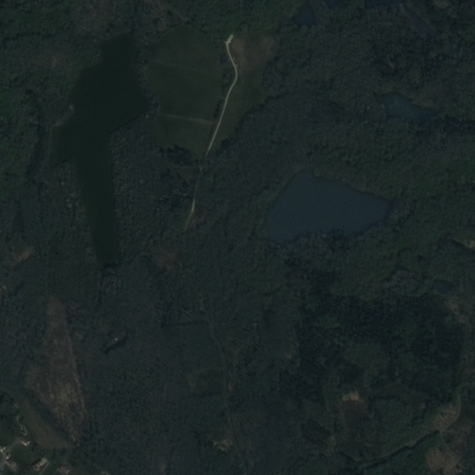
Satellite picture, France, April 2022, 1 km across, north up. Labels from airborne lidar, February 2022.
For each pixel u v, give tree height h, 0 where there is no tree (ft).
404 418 73
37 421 0
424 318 31
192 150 0
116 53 0
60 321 0
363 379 66
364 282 110
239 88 0
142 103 0
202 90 0
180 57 0
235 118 0
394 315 22
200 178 81
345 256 96
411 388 64
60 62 47
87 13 44
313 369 76
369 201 0
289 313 75
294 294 73
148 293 79
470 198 66
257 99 0
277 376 69
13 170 75
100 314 69
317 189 0
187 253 81
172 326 79
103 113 0
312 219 0
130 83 0
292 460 46
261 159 89
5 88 68
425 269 61
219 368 76
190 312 87
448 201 75
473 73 61
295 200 0
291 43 65
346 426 0
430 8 77
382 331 48
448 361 50
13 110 72
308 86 87
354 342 54
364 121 87
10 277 41
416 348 57
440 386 56
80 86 0
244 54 0
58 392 0
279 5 51
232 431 0
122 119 0
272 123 81
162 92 0
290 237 0
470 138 77
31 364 71
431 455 0
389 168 74
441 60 52
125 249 27
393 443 56
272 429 62
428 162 72
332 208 0
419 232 72
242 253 62
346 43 60
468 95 71
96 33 53
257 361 60
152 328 81
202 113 0
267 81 44
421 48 57
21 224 68
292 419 76
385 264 64
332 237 35
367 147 67
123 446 28
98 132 0
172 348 73
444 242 0
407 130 64
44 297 67
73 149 0
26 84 99
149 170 44
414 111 0
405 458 74
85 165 0
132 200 36
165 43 0
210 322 78
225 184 61
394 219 111
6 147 87
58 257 74
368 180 53
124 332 70
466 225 66
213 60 0
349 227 0
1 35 69
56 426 74
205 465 71
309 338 64
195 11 67
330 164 56
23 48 59
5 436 0
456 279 73
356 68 75
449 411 0
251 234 59
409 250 62
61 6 65
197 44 0
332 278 76
